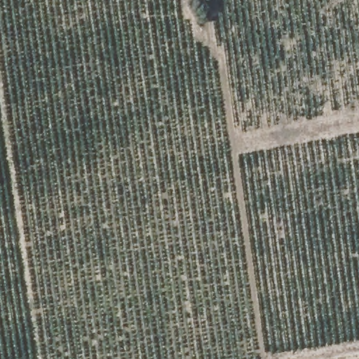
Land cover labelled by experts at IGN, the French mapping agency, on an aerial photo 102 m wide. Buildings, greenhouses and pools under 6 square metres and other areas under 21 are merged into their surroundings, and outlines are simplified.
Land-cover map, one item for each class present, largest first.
<instances>
[{"label":"vineyard","instance_id":"1","mask_svg":"<svg viewBox=\"0 0 359 359\"><path fill-rule=\"evenodd\" d=\"M209 22L205 27H199L198 18L189 7V0H0V359H261L259 348L264 346L266 352L278 353L359 341V133H346L331 140L285 144L245 154H238L236 151L231 153L226 109L233 105L234 122L243 128V132H247L250 126L259 129L264 112L268 114L266 122L269 128L278 125L280 114L292 116L294 121L303 116L311 119L323 115L324 104L330 105L334 111L346 107L355 111V102L349 100H359V0H199Z\"/></svg>","mask_w":359,"mask_h":359},{"label":"plowed land","instance_id":"2","mask_svg":"<svg viewBox=\"0 0 359 359\"><path fill-rule=\"evenodd\" d=\"M355 102V111L346 107L334 111L330 105L324 104L323 115L311 119L303 116L294 121L292 116L280 114L278 125L269 128L266 122L268 114L264 112L259 129L250 126L247 132H243V128L234 122L233 105L226 109L231 153L236 151L238 154H245L285 144L331 140L346 133H359V100H349Z\"/></svg>","mask_w":359,"mask_h":359},{"label":"pervious surface","instance_id":"3","mask_svg":"<svg viewBox=\"0 0 359 359\"><path fill-rule=\"evenodd\" d=\"M261 359H359V341L278 353L266 352L264 346L259 348Z\"/></svg>","mask_w":359,"mask_h":359},{"label":"deciduous trees","instance_id":"4","mask_svg":"<svg viewBox=\"0 0 359 359\"><path fill-rule=\"evenodd\" d=\"M189 7L198 18L199 27H205L209 22L199 0H189Z\"/></svg>","mask_w":359,"mask_h":359}]
</instances>
